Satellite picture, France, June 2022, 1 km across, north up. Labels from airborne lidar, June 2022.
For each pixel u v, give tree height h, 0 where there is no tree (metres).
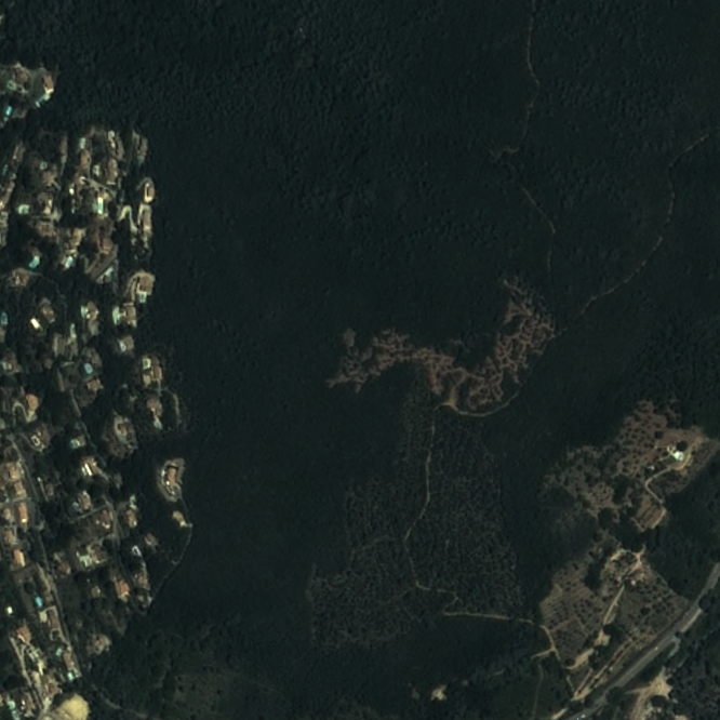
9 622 7
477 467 9
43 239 7
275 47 21
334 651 6
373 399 7
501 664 23
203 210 7
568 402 12
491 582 9
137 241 6
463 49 8
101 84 24
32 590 11
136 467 13
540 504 6
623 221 8
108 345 9
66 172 8
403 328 7
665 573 7
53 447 10
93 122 13
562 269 7
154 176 10
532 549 12
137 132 7
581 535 5
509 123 7
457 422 6
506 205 7
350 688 10
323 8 15
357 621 8
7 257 14
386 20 16
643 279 8
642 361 9
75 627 7
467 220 6
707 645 8
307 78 21
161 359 8
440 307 6
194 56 13
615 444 5
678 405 12
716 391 8
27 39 23
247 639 11
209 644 17
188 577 10
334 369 10
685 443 14
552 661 16
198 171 9
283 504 9
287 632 6
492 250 7
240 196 7
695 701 7
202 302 7
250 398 8
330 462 9
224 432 7
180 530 7
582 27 6
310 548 9
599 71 6
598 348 7
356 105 14
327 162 18
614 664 7
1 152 10
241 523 8
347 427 9
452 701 14
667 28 6
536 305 10
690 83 9
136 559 11
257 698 8
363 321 8
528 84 8
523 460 8
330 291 13
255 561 7
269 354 7
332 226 9
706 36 7
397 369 8
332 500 8
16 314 6
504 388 7
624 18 7
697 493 6
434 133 7
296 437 7
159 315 8
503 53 8
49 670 10
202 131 12
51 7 18
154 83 11
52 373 9
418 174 14
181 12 17
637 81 7
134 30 7
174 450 10
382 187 8
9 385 17
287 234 7
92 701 9
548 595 12
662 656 7
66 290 8
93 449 10
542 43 6
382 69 16
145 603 6
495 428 8
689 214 13
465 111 10
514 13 9
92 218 16
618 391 12
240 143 9
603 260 11
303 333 7
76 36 16
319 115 21
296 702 11
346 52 17
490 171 8
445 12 10
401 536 8
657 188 11
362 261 14
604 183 12
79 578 15
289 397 6
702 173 15
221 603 12
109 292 15
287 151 10
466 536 7
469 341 18
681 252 12
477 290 8
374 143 14
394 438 8
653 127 7
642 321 8
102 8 19
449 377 7
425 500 6
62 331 7
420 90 18
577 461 7
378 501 9
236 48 13
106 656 11
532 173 10
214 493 7
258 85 21
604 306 11
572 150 6
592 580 13
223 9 13
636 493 6
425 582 8
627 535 6
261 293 6
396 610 6
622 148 9
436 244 7
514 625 21
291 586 9
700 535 6
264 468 6
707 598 9
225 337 7
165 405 8
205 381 7
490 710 16
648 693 0
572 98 12
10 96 12
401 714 12
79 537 7
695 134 11
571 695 9
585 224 7
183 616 12
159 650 12
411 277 7
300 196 6
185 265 7
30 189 7
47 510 15
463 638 9
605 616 0
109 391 11
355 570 9
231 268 6
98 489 18
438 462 8
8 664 11
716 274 8
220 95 17
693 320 11
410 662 9
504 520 8
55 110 15
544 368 8
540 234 7
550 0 5
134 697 10
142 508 7
